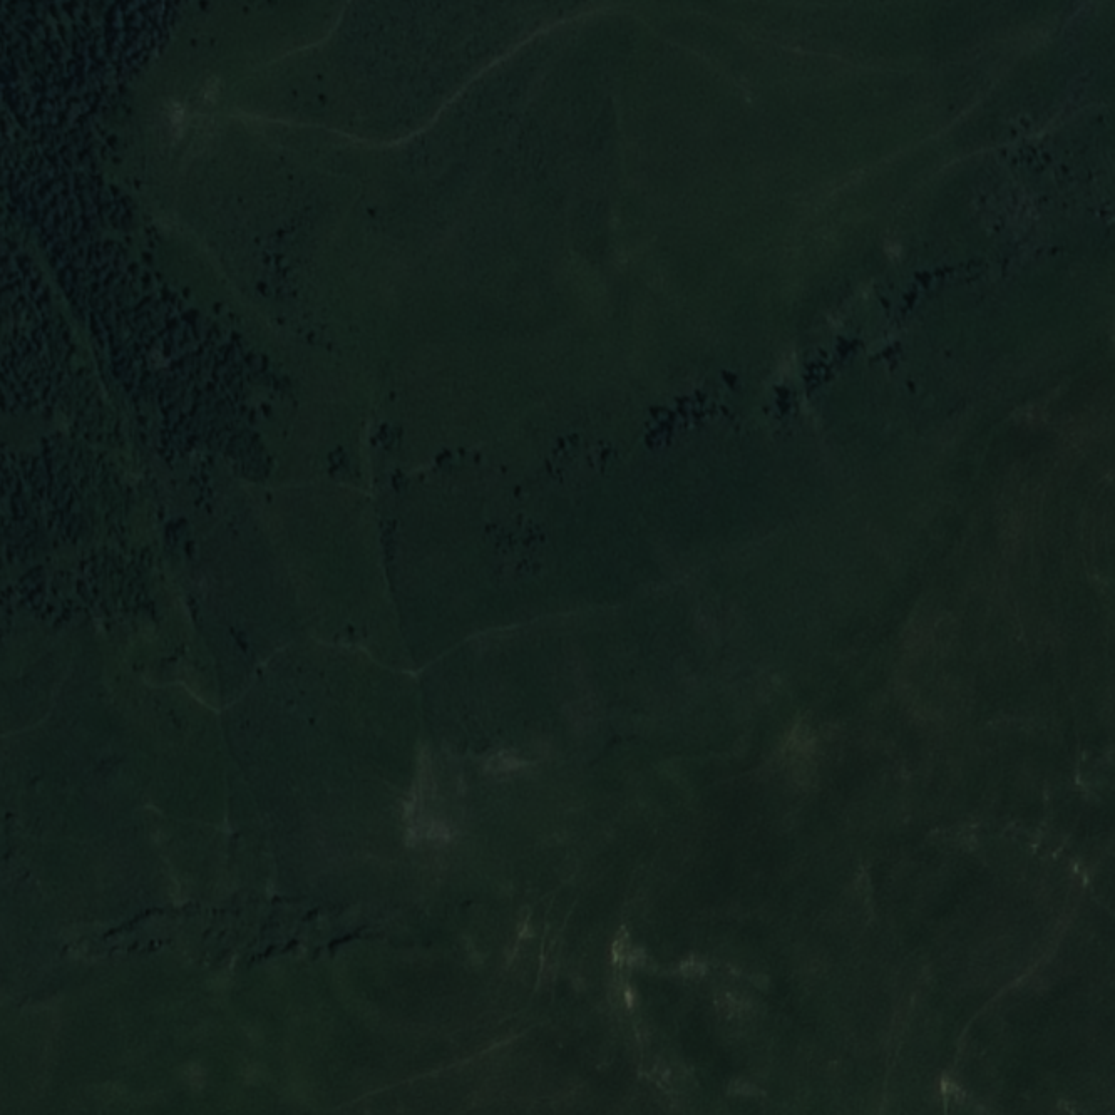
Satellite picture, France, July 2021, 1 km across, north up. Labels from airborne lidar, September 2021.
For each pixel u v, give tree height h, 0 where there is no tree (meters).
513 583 0
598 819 0
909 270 0
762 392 0
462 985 0
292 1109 0
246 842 0
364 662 0
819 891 0
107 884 0
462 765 0
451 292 0
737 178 0
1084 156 0
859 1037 0
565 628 0
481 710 0
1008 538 0
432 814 0
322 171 0
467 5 0
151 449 0
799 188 0
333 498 0
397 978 0
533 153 0
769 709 0
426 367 0
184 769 0
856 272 0
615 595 0
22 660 0
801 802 0
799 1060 0
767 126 0
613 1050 0
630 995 0
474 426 0
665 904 0
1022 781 0
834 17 0
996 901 0
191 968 0
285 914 0
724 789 0
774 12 0
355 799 0
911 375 0
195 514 0
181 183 0
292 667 0
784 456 0
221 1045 0
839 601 0
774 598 0
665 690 0
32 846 0
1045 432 0
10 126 18
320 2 0
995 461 0
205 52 0
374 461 0
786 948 0
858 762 0
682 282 0
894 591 0
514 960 0
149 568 8
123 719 0
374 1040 0
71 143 26
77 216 29
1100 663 0
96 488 10
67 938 0
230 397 12
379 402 0
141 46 25
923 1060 0
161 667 0
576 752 0
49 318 12
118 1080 0
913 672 0
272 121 0
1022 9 0
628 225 0
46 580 10
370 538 0
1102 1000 0
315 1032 0
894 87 0
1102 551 0
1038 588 0
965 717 0
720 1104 0
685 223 0
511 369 0
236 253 0
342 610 0
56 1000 0
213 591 0
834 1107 0
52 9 11
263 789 0
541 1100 0
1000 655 0
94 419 16
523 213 0
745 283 0
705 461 0
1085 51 0
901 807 0
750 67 0
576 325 0
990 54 0
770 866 0
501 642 0
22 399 13
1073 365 0
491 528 9
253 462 10
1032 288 0
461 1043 0
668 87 0
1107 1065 0
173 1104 0
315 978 0
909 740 0
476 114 0
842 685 0
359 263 0
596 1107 0
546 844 0
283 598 0
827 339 0
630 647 0
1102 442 0
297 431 0
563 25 0
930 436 0
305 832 0
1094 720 0
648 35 0
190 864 0
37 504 9
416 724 0
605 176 0
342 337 0
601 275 0
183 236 0
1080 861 0
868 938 0
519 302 0
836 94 0
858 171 0
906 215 0
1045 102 0
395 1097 0
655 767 0
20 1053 0
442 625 0
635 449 0
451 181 0
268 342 0
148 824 0
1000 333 0
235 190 0
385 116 0
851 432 0
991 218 0
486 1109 0
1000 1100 0
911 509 0
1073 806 0
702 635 0
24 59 16
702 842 0
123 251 20
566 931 0
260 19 0
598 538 0
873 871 0
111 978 0
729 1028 0
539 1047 0
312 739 0
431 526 0
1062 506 0
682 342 0
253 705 0
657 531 0
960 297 0
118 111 17
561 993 0
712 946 0
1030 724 0
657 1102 0
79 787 0
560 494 0
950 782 0
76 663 0
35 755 0
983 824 0
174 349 25
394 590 0
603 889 0
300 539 0
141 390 14
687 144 0
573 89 0
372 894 0
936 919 0
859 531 0
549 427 0
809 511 0
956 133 0
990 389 0
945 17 0
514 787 0
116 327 14
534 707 0
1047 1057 0
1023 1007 0
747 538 0
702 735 0
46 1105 0
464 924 0
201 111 0
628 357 0
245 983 0
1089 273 0
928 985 0
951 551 0
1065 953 0
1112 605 0
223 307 11
